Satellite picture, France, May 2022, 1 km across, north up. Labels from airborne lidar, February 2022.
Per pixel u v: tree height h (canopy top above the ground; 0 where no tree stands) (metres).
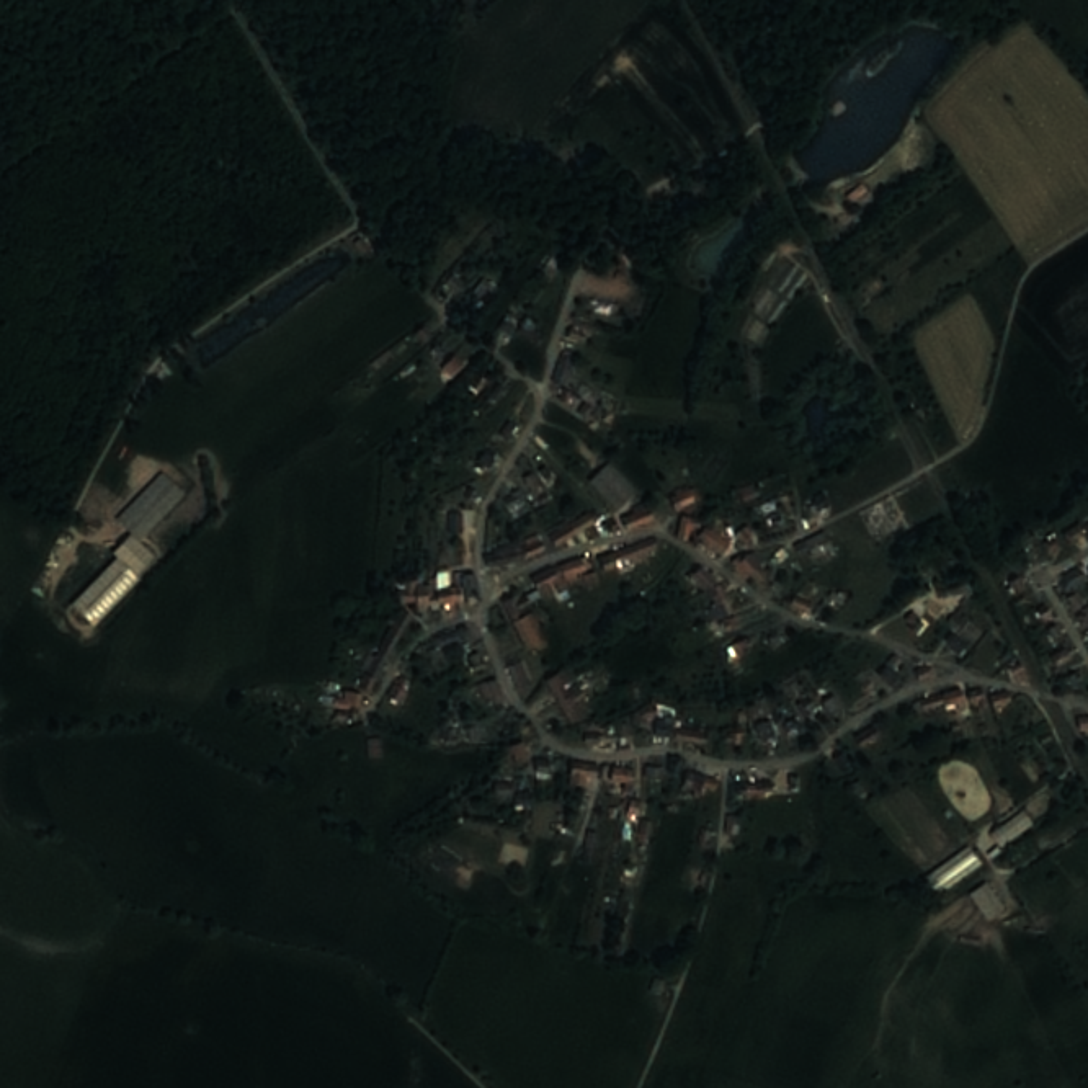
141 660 0
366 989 0
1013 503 0
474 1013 0
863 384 17
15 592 0
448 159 27
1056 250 0
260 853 0
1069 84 0
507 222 21
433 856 0
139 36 26
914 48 0
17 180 12
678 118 0
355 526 0
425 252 22
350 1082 0
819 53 27
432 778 0
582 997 0
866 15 23
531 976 0
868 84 0
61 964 0
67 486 9
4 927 0
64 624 0
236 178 10
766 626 0
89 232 10
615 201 30
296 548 0
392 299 0
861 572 0
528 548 0
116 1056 0
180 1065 0
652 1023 0
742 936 0
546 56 0
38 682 0
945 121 0
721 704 16
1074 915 0
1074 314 0
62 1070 0
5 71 23
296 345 0
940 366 0
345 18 29
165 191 10
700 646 0
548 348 0
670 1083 0
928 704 0
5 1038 0
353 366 0
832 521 0
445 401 9
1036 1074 0
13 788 0
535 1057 0
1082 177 0
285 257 9
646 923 0
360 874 0
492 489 0
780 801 0
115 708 0
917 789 0
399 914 0
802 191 10
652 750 0
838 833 0
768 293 0
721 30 13
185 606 0
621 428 0
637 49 0
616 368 0
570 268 20
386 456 6
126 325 7
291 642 0
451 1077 0
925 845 0
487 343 15
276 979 0
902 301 0
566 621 0
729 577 0
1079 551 0
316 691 0
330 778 0
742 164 15
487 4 9
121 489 0
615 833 0
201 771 0
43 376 9
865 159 0
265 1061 0
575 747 0
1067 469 0
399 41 26
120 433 0
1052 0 0
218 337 0
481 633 0
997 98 0
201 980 0
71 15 25
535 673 0
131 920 0
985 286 0
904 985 0
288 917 0
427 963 0
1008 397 0
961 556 17
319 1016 0
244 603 0
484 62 0
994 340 0
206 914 0
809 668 7
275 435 0
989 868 0
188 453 0
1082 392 7
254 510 0
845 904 0
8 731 0
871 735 0
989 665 0
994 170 0
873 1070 0
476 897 0
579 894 0
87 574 0
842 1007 0
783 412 19
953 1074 0
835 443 21
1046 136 0
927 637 0
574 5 0
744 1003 0
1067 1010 0
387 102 28
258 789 0
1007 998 0
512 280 8
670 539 0
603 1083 0
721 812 0
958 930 0
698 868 0
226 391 0
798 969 0
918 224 0
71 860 0
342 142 23
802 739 7
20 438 10
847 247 6
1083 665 0
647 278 25
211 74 8
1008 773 0
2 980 0
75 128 8
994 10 10
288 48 24
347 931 0
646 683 0
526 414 0
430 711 0
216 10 25
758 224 18
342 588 0
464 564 0
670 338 0
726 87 0
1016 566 0
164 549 0
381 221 16
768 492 0
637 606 21
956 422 0
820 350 0
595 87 0
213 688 0
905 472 0
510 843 0
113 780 0
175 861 0
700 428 0
